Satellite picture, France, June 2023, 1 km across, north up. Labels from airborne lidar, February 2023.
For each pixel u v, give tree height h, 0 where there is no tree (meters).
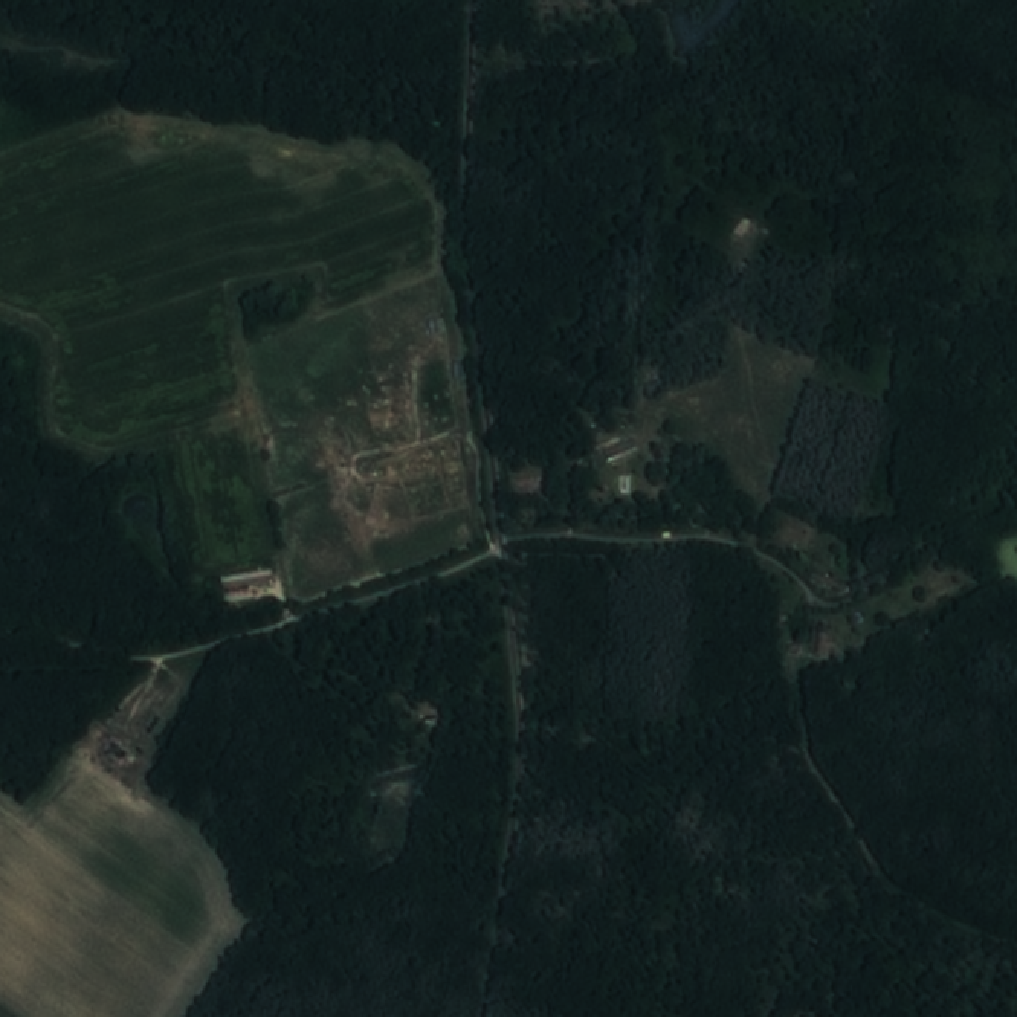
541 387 26
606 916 19
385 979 27
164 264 0
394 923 25
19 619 20
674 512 19
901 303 17
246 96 27
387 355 0
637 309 31
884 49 20
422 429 0
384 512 0
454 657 21
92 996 0
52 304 0
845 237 17
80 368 0
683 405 0
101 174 0
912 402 20
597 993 20
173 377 0
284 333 0
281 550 9
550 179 25
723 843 19
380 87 25
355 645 25
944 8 21
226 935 0
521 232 28
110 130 0
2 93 10
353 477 0
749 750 20
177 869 0
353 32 24
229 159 0
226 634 20
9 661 21
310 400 0
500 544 0
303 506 0
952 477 20
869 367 13
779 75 19
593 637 7
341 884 21
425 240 0
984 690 27
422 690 14
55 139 0
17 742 25
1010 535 15
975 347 23
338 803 15
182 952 0
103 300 0
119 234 0
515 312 25
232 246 0
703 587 18
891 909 21
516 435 23
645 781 20
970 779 21
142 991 0
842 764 22
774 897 17
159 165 0
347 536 0
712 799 21
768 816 17
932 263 10
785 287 27
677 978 15
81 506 23
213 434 0
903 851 17
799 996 19
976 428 16
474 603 22
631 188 22
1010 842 21
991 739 16
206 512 0
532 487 0
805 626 6
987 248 6
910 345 20
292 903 20
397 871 19
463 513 0
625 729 21
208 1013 22
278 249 0
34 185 0
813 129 20
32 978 0
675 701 17
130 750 0
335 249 0
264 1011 25
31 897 0
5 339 11
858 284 19
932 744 22
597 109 16
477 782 21
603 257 15
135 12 26
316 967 25
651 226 27
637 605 18
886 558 20
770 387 0
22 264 0
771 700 24
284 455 0
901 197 22
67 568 24
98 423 0
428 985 19
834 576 11
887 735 18
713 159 9
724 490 19
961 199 10
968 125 6
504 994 21
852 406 21
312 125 24
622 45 9
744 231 0
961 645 19
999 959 18
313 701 26
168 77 26
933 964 22
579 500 18
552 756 23
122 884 0
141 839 0
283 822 25
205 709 24
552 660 6
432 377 0
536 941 20
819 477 19
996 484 18
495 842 18
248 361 0
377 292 0
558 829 21
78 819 0
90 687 26
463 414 0
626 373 23
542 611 7
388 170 0
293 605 9
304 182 0
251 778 25
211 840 16
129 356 0
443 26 27
